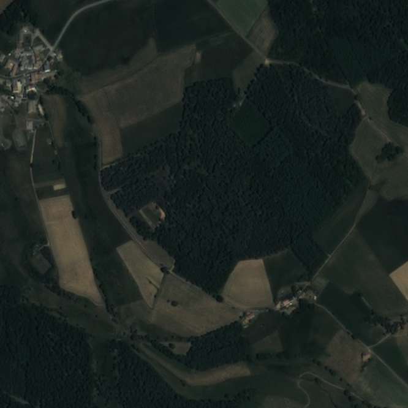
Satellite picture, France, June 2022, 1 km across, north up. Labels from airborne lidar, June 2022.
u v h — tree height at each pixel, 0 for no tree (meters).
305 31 17
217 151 14
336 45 20
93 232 0
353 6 20
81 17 0
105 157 0
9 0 0
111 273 0
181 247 23
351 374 0
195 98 18
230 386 0
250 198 10
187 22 0
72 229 0
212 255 19
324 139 17
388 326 12
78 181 0
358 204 0
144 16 0
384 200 0
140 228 16
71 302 0
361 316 0
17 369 9
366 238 0
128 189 16
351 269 0
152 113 0
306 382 0
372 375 0
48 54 0
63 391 21
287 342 0
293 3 16
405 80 19
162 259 0
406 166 0
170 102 0
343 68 16
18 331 10
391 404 0
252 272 0
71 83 0
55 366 17
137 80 0
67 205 0
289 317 7
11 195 0
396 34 21
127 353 26
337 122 18
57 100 0
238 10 0
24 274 0
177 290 0
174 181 13
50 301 0
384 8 13
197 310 0
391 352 0
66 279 0
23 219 0
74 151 0
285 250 14
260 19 0
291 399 0
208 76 0
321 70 8
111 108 0
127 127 0
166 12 0
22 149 0
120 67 0
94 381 19
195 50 0
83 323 0
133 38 0
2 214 0
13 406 28
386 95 0
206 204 26
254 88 18
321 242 0
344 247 0
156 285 0
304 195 22
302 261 16
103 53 0
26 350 7
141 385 26
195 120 10
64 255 0
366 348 0
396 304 0
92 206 0
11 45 0
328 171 24
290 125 23
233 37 0
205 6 0
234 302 0
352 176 14
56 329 15
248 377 0
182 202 20
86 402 29
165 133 0
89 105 0
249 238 22
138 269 0
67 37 0
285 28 6
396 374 0
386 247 0
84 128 0
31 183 0
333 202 24
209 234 26
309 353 0
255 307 0
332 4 22
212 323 0
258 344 0
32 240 0
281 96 23
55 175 0
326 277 0
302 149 21
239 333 14
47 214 0
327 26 15
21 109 0
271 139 30
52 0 0
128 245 0
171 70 0
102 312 0
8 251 0
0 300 24
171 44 0
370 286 0
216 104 18
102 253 0
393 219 0
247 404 0
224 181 24
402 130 0
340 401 0
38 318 14
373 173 0
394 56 18
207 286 16
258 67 0
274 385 0
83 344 20
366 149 0
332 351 0
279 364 0
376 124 0
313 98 17
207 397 0
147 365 26
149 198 17
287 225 23
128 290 0
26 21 23
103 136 0
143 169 14
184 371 0
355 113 14
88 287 0
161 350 12
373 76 18
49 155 0
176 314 0
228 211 17
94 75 0
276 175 27
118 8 0
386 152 12
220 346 19
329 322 0
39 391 25
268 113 24
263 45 0
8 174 0
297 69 19
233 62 0
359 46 18
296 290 10
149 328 0
